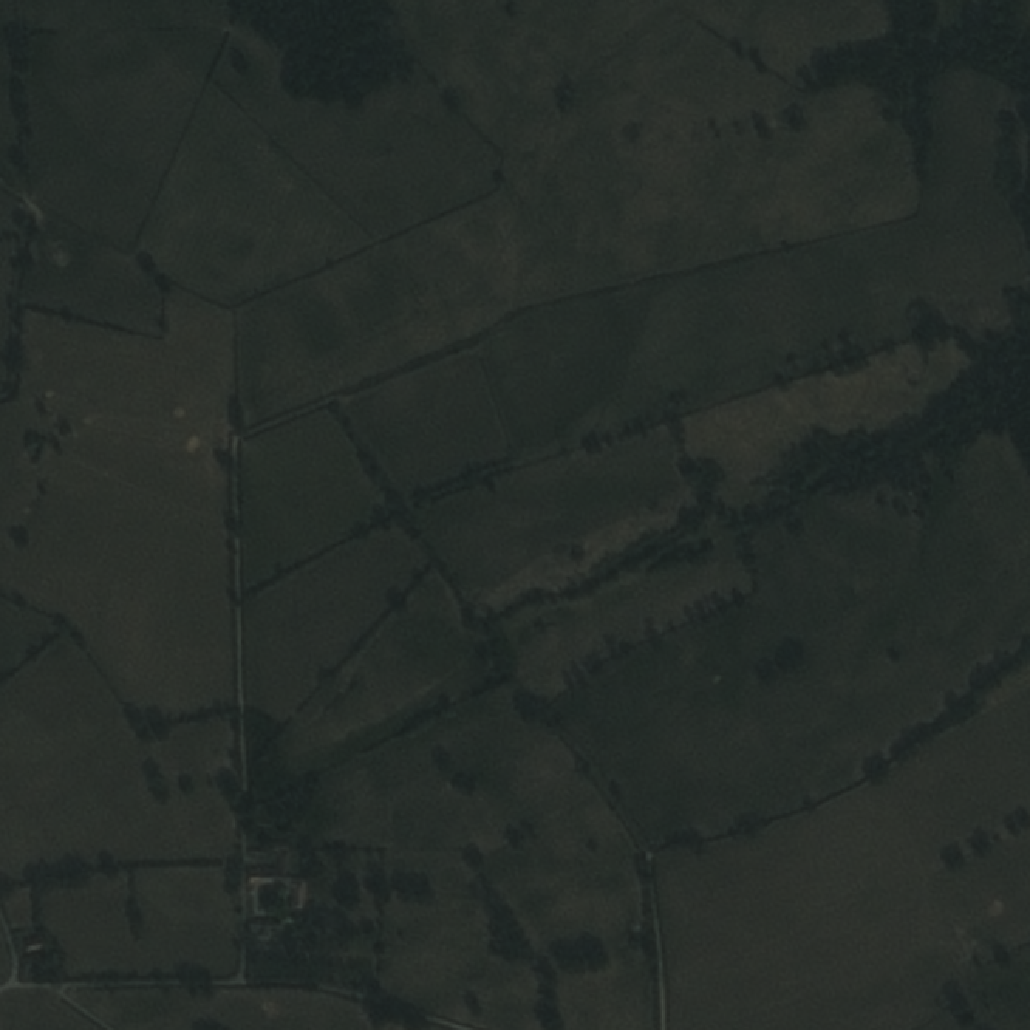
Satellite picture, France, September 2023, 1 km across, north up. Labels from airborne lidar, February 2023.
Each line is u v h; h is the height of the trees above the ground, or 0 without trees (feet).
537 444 0
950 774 0
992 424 61
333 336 0
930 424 57
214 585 0
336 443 0
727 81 0
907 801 0
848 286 0
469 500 0
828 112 0
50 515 0
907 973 0
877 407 0
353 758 0
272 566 0
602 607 0
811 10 0
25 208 0
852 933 0
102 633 0
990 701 0
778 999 0
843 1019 0
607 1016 0
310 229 0
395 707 0
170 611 0
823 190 0
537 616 0
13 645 0
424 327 0
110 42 0
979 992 0
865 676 0
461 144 0
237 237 0
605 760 0
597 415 0
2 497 0
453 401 0
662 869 0
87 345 0
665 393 0
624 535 0
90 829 0
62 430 36
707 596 0
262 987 20
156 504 0
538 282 0
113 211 0
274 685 0
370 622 0
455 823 0
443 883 0
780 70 0
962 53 44
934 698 0
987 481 0
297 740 0
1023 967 0
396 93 0
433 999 0
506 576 0
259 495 0
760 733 0
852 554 0
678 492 0
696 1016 0
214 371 0
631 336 0
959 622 0
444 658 0
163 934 0
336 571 0
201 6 0
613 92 0
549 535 0
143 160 0
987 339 38
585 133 0
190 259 0
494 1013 0
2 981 0
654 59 0
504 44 0
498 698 0
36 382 0
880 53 60
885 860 0
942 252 0
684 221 0
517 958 37
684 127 0
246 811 48
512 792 0
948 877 0
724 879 0
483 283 0
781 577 0
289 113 0
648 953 55
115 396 0
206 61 0
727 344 0
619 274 0
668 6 0
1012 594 0
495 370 0
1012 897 0
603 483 0
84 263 0
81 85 0
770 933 0
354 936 53
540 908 0
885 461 62
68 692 0
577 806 0
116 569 0
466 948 0
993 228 0
